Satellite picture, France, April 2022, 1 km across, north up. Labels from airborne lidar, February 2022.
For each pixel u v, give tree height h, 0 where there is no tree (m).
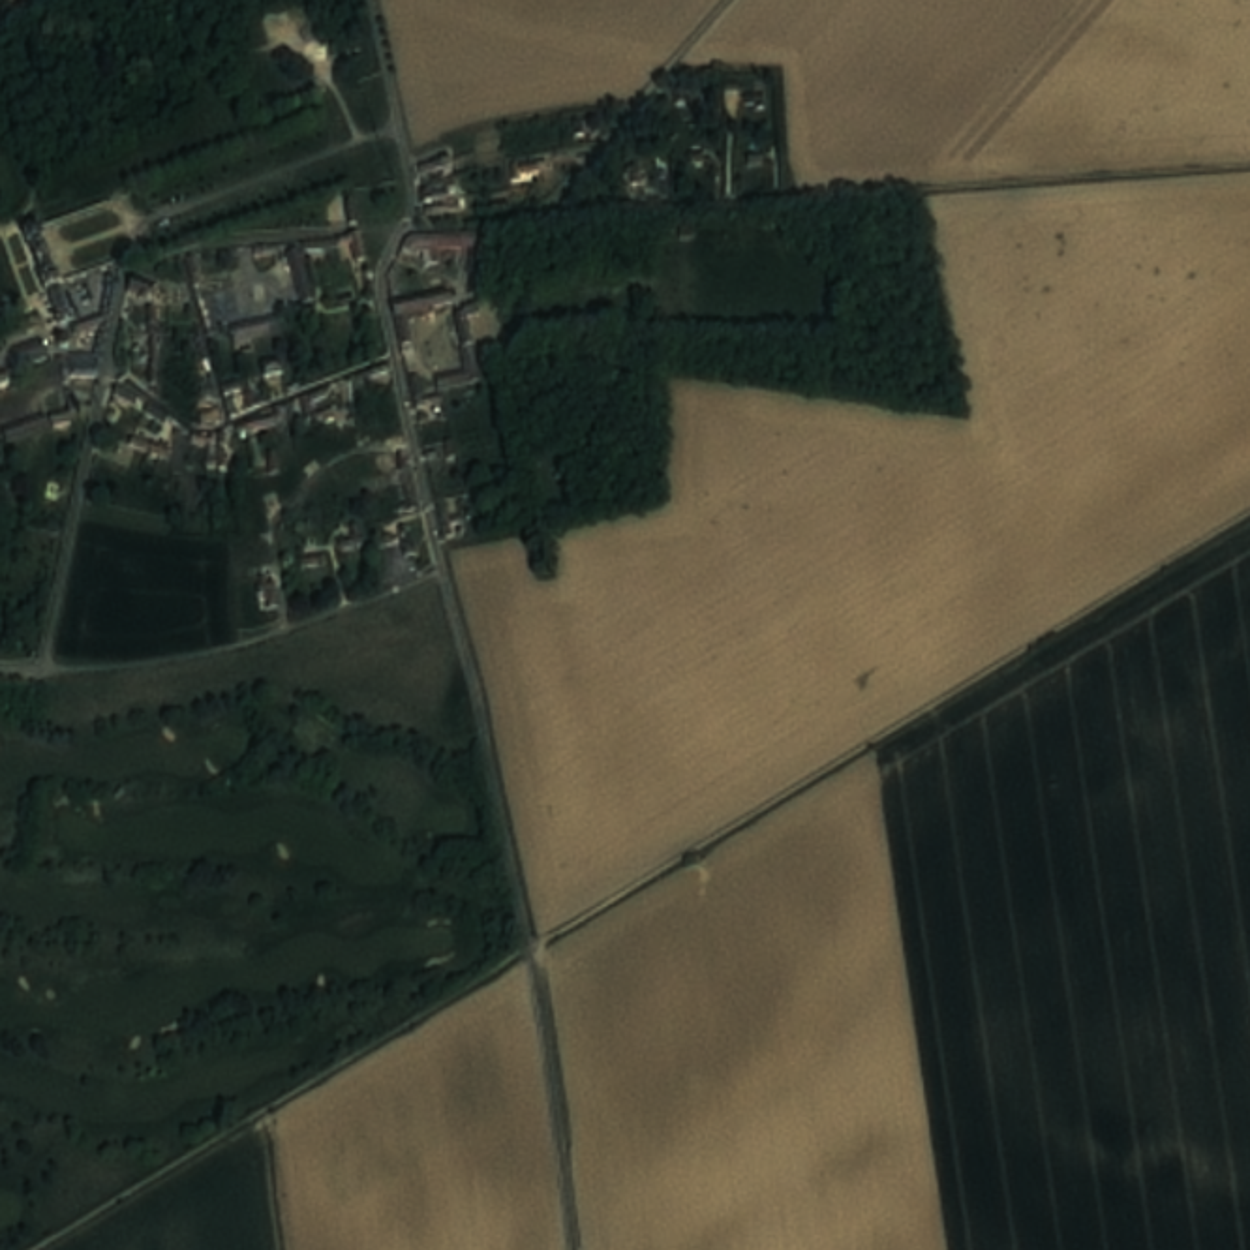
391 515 0
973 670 0
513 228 21
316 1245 0
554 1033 0
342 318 0
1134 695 0
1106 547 0
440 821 0
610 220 23
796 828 0
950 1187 0
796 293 0
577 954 0
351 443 0
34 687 7
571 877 0
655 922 0
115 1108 0
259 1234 0
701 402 0
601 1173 0
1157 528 0
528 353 24
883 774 0
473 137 0
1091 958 0
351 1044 6
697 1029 0
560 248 24
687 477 0
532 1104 0
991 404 0
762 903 0
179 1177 0
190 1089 0
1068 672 0
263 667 0
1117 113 0
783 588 0
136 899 0
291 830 0
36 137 29
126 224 0
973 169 0
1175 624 0
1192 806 0
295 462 0
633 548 0
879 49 0
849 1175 0
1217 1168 0
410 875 0
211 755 0
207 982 0
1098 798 0
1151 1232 0
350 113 0
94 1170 0
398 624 0
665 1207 0
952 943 0
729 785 0
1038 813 0
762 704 0
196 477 0
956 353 22
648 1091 0
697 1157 0
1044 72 0
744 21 0
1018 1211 0
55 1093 0
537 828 0
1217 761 0
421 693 0
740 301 0
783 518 0
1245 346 0
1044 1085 0
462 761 14
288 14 0
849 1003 0
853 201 23
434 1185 0
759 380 24
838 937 0
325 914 0
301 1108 0
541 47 0
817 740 0
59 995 0
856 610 0
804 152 0
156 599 0
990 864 0
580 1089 0
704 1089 0
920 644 0
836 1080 0
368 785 0
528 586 0
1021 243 0
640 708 0
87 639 0
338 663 0
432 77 0
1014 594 0
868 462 0
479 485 12
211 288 0
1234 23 0
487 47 0
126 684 0
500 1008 0
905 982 0
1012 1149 0
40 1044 12
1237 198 0
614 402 29
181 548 0
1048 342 0
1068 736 0
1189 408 0
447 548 0
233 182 0
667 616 0
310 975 0
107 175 0
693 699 0
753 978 0
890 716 0
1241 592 0
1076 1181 0
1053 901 0
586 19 0
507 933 16
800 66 0
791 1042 0
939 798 0
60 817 0
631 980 0
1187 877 0
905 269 23
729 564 0
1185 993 0
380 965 0
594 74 0
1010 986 0
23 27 22
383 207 17
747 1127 0
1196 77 0
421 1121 0
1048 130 0
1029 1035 0
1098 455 0
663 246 20
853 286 28
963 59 0
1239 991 0
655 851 0
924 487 0
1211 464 0
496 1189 0
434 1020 0
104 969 0
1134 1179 0
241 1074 0
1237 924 0
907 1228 0
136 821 0
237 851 0
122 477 0
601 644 0
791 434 0
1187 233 0
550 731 0
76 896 0
